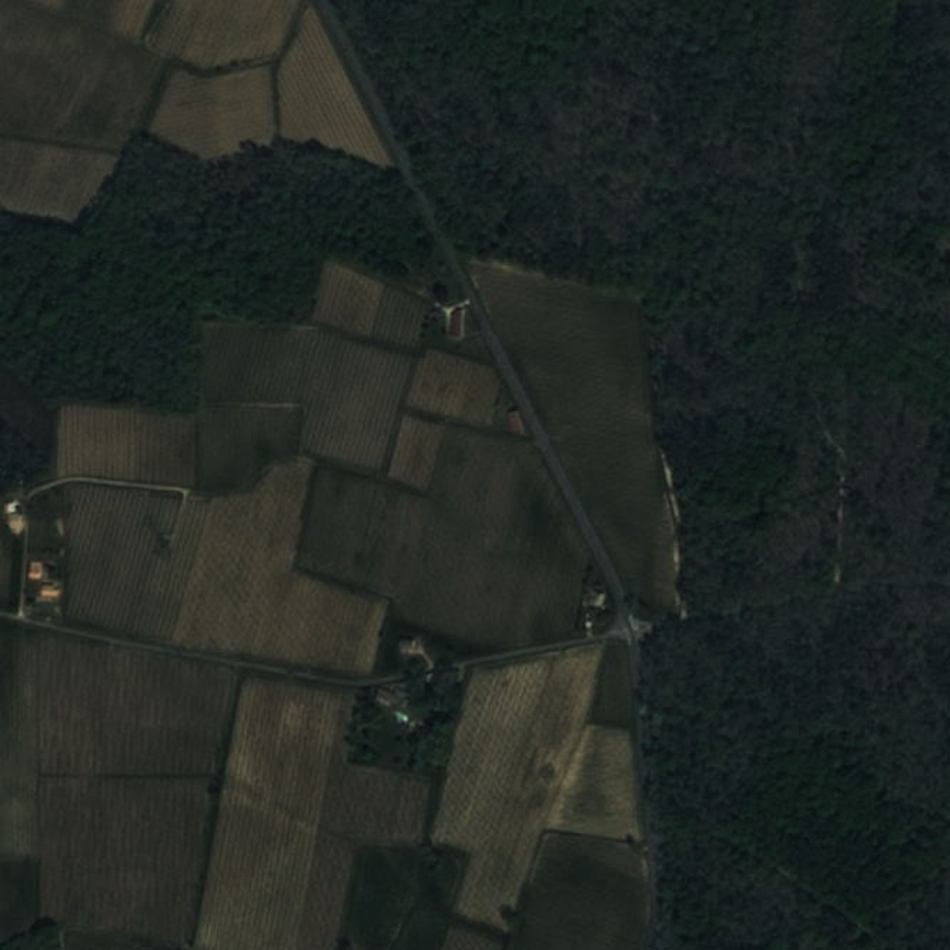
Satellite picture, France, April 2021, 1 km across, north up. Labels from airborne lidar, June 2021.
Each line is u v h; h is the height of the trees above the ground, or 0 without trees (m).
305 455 0
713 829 17
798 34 19
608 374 0
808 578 17
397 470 0
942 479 12
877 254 15
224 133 0
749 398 21
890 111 22
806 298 15
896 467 10
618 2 14
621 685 0
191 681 0
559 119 20
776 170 8
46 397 19
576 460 0
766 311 26
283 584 0
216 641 0
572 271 21
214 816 0
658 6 18
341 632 0
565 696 0
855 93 20
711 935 19
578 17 21
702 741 20
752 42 21
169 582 0
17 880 0
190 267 23
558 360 0
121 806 0
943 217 15
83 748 0
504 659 0
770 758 22
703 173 14
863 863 24
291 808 0
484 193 21
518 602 0
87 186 0
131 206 21
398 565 0
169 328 20
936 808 18
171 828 0
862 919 21
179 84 0
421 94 18
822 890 19
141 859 0
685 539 13
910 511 16
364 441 0
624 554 0
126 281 22
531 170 15
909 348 22
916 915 13
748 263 14
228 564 0
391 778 0
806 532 10
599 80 12
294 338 0
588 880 0
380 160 0
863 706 22
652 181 20
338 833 0
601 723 0
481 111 19
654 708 17
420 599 0
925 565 21
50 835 0
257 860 0
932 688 13
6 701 0
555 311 0
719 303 16
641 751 0
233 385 0
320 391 0
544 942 0
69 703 0
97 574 0
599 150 11
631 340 0
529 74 23
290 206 14
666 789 20
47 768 0
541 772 0
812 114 13
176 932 0
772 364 24
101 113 0
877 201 17
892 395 20
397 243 22
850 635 24
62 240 19
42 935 16
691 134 22
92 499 0
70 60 0
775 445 25
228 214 21
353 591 0
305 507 0
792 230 22
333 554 0
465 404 0
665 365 11
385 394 0
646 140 21
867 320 20
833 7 12
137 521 0
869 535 15
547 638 0
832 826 27
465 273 0
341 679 0
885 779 16
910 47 21
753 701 13
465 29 20
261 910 0
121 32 0
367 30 17
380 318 0
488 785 0
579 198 13
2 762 0
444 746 19
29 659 0
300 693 0
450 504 0
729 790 21
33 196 0
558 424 0
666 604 0
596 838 0
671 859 18
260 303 23
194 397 21
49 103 0
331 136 0
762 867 18
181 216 15
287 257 22
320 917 0
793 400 24
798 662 19
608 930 0
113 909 0
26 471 12
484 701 0
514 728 0
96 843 0
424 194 18
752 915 18
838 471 19
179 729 0
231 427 0
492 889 0
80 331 20
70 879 0
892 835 26
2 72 0
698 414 12
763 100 13
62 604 0
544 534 0
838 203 17
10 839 0
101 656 0
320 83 0
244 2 0
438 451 0
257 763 0
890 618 19
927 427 13
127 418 0
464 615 0
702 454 24
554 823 0
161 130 0
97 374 19
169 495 0
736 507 23
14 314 18
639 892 0
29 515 18
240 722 0
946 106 22
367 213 21
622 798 0
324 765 0
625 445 0
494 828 0
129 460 0
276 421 0
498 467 0
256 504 0
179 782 0
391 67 10
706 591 17
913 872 23
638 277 21
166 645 0
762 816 26
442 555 0
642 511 0
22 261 23
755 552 13
